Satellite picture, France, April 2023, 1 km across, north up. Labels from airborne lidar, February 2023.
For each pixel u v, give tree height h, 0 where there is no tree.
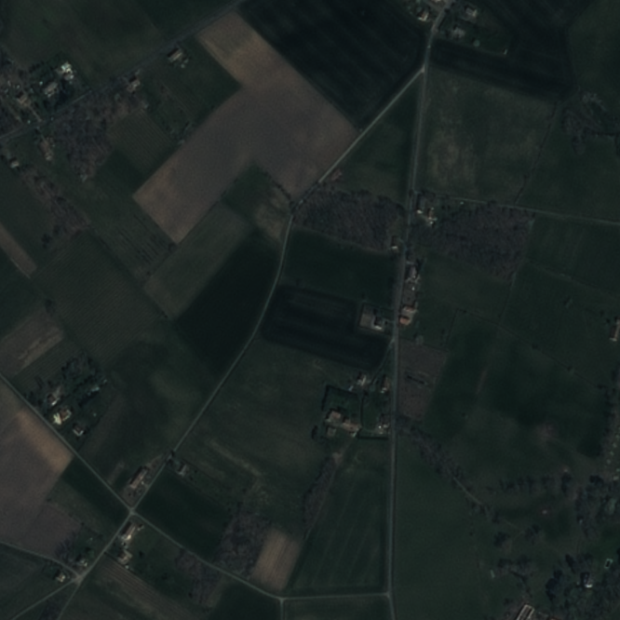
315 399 0
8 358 0
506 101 0
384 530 0
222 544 7
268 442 0
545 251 0
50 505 8
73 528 0
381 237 20
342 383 0
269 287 0
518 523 0
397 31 0
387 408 11
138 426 0
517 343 0
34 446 0
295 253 0
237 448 0
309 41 0
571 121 16
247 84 0
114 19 0
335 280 0
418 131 0
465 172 0
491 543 0
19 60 0
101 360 0
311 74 0
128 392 0
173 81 0
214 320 0
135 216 0
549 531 0
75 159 12
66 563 7
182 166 0
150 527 0
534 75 0
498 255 10
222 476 0
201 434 0
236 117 0
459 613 0
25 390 0
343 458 0
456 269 0
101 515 0
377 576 0
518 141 0
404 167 0
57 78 8
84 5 0
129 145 0
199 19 0
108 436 0
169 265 0
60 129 13
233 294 0
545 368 0
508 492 15
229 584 0
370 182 0
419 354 0
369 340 0
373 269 0
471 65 0
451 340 0
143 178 0
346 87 0
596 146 0
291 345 0
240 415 0
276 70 0
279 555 0
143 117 0
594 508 22
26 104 0
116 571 0
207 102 0
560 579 19
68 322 0
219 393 0
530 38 0
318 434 12
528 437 0
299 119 0
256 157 0
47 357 0
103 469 0
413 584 0
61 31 0
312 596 0
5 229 0
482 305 0
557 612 16
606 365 0
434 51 0
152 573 0
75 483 0
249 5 0
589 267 0
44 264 0
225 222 0
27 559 0
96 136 9
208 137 0
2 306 0
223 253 0
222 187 0
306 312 0
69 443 0
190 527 0
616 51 0
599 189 0
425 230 14
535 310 0
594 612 30
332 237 15
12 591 0
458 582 0
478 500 0
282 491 0
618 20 0
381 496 0
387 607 0
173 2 0
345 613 0
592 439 0
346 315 0
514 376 0
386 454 0
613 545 0
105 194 0
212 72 0
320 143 0
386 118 0
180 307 0
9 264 0
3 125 14
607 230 0
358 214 20
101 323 0
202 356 0
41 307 0
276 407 0
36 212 0
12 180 0
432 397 0
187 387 0
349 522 0
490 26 0
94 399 13
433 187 0
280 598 0
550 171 0
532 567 25
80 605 0
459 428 0
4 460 0
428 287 0
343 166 0
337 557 0
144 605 0
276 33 0
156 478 0
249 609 0
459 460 0
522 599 0
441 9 0
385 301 0
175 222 0
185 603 0
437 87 0
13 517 0
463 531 0
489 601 0
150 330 0
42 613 0
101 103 13
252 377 0
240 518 10
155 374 0
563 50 0
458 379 0
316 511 17
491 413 0
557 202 0
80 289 0
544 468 0
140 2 0
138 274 0
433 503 0
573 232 0
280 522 0
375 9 0
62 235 16
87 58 0
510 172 0
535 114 0
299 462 0
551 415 0
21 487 0
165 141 0
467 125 0
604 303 0
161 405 0
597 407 0
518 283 0
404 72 0
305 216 13
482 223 13
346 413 12
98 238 0
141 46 0
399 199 0
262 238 0
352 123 0
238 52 0
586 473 0
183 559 11
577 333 0
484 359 0
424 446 21
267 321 0
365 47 0
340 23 0
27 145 0
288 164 0
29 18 0
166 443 0
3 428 0
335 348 0
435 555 0
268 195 0
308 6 0
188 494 0
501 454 0
